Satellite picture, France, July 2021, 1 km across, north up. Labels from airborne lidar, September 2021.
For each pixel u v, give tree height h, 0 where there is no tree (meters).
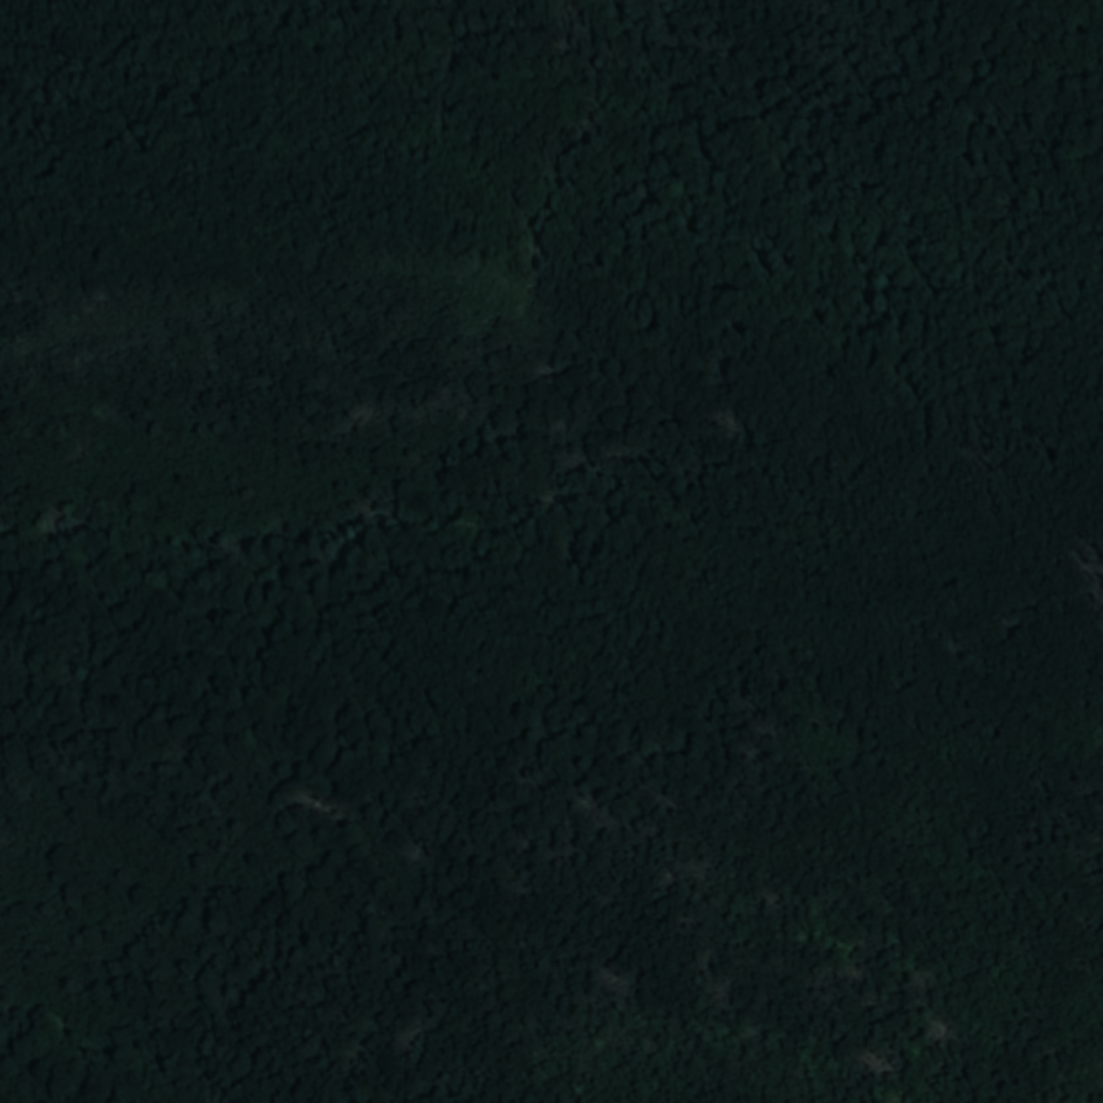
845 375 28
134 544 31
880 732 19
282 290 13
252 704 28
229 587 25
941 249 27
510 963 20
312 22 24
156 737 26
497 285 7
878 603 21
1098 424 34
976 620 22
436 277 11
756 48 25
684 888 20
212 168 21
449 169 29
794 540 17
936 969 20
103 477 12
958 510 23
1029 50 30
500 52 19
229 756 11
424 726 26
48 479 11
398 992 32
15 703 11
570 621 25
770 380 28
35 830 12
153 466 13
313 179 18
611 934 25
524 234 29
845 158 26
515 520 20
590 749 27
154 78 24
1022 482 28
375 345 23
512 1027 20
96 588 27
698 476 6
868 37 18
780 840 17
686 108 24
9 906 13
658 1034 11
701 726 28
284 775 27
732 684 19
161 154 31
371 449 10
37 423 11
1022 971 20
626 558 22
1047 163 19
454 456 21
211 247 21
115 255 21
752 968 8
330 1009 25
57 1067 26
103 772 12
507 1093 21
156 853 13
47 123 19
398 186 19
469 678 31
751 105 26
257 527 17
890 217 34
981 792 19
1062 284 23
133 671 21
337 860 24
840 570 26
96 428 10
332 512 11
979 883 16
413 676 31
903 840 11
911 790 13
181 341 20
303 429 13
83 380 10
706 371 8
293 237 18
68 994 25
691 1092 16
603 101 22
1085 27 21
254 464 11
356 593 20
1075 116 19
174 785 13
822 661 21
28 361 13
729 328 31
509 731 24
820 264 29
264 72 23
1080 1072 10
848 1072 9
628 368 25
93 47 23
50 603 21
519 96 24
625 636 27
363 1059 12
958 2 25
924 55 25
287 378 18
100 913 9
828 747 8
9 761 19
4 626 23
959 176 34
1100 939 16
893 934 20
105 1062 33
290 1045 25
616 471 32
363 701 26
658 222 33
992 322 32
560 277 26
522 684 24
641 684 32
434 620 32
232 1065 25
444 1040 11
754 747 23
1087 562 24
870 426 28
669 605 23
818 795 12
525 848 7
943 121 36
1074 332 21
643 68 17
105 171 25
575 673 27
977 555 22
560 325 16
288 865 15
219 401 7
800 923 22
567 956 23
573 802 8
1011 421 35
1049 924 16
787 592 18
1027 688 21
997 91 34
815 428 29
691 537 23
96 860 11
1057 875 25
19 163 23
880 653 18
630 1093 9
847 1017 10
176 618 24
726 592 20
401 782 30
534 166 24
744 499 24
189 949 15
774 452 21
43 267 19
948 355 32
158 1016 22
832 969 19
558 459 19
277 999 23
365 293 13
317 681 27
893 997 19
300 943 11
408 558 24
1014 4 33
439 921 12
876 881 20
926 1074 21
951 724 15
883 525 19
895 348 33
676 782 27
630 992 6
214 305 12
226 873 13
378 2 14
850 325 23
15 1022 24
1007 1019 12
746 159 18
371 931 27
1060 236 13
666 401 32
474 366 10
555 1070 19
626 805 27
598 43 16
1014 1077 18
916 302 29
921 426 28
